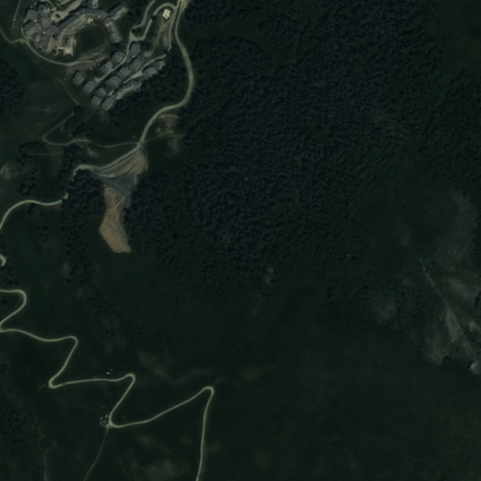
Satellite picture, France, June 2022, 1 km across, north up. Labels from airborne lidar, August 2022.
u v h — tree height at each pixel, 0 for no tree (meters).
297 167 26
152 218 26
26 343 0
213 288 7
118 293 0
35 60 0
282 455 0
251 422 0
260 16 7
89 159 13
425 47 12
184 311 0
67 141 0
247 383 0
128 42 0
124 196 0
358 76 25
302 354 0
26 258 0
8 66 20
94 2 0
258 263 12
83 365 0
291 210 10
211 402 0
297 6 11
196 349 0
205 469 0
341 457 0
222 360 0
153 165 0
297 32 29
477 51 0
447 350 0
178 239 24
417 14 8
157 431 0
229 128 24
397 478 0
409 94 11
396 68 15
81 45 0
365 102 23
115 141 0
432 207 0
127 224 10
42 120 0
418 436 0
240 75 27
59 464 0
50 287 0
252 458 0
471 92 8
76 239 8
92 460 0
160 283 0
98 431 0
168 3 0
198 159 13
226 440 0
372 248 0
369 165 7
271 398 0
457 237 0
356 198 10
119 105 11
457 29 0
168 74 13
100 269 0
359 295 7
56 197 0
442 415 0
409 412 0
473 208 0
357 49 10
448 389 0
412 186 0
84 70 0
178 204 9
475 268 0
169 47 0
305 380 0
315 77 10
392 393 0
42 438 0
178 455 0
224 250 20
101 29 0
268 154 24
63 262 0
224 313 0
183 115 18
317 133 9
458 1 0
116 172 0
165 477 0
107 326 0
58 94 0
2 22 0
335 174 17
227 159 25
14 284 21
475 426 0
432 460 0
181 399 0
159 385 0
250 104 9
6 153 0
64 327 0
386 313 0
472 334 0
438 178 10
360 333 0
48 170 0
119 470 0
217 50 13
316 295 0
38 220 0
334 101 26
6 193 0
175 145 0
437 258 0
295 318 0
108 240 0
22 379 0
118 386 0
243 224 11
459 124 10
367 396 0
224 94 9
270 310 0
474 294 0
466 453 0
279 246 9
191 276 0
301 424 0
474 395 0
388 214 0
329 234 12
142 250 9
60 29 0
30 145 12
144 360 0
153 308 0
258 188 29
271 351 0
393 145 16
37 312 0
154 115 0
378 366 0
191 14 22
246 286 6
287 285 0
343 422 0
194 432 0
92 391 0
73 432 0
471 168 7
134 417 0
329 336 0
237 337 0
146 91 16
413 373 0
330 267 7
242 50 22
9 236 0
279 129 28
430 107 12
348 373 0
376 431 0
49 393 0
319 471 0
